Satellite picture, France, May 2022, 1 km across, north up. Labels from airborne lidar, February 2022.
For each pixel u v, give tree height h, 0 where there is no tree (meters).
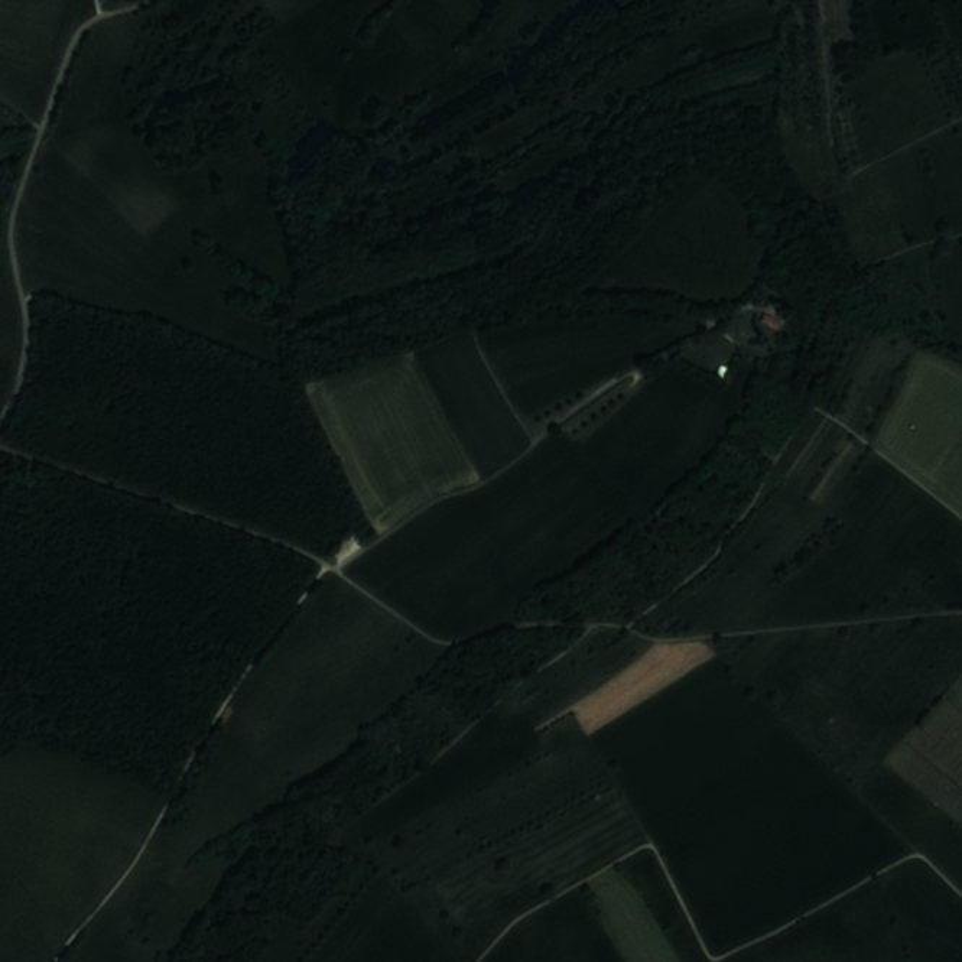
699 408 0
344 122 0
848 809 0
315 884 17
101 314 10
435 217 29
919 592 0
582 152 0
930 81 0
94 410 11
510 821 0
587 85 12
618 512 0
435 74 0
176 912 0
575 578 9
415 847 0
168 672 17
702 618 0
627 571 12
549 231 19
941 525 0
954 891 0
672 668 0
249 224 0
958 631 0
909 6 0
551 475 0
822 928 0
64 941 0
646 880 0
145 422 13
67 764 0
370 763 14
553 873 0
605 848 0
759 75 0
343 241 31
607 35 25
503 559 0
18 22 0
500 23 0
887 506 0
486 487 0
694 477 13
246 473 12
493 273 16
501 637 18
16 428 12
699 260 0
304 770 0
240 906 18
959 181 0
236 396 14
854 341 7
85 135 0
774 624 0
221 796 0
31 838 0
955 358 7
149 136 20
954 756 0
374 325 22
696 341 8
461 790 0
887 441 0
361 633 0
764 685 0
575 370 0
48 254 0
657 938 0
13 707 17
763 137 19
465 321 17
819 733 0
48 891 0
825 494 0
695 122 17
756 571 0
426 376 0
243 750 0
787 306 20
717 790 0
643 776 0
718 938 0
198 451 13
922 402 0
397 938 0
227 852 10
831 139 0
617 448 0
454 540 0
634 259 0
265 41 0
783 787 0
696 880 0
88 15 0
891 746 0
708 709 0
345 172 36
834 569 0
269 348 0
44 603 19
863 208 0
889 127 0
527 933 0
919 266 0
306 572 13
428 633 0
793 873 0
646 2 26
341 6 0
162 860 0
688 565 0
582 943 0
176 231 0
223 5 7
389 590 0
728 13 0
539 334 0
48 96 0
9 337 0
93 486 12
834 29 0
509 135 0
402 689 0
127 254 0
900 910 0
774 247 14
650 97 9
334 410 0
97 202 0
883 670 0
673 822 0
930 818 0
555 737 0
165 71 9
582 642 0
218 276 0
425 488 0
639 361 13
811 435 0
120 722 16
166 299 0
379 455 0
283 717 0
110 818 0
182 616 19
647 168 19
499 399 0
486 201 27
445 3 0
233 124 22
